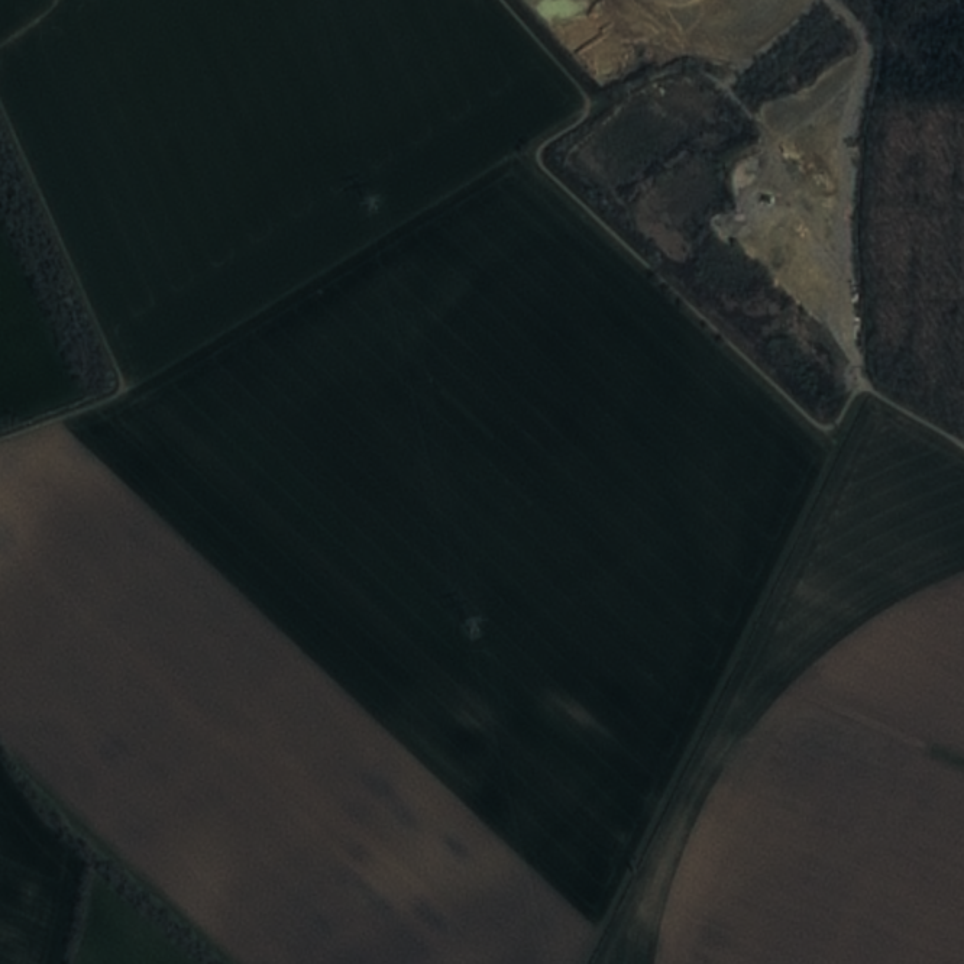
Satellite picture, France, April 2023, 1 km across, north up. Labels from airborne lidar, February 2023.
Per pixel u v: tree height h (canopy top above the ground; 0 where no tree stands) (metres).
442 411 0
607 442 0
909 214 20
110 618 0
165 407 0
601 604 0
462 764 0
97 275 0
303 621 0
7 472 0
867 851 0
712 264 9
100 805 0
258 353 0
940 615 0
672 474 0
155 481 0
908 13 20
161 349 0
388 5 0
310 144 0
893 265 19
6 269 0
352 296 0
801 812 0
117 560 0
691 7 0
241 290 0
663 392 0
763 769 0
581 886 0
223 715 0
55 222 0
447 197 0
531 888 0
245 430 0
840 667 0
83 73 0
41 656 0
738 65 0
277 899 0
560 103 0
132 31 0
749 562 0
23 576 0
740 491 0
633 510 0
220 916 0
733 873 0
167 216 0
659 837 0
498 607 0
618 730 0
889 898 0
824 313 0
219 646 0
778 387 0
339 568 0
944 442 0
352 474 0
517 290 0
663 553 0
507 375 0
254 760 0
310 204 0
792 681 0
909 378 14
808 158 0
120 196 0
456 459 0
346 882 0
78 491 0
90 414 0
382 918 0
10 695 0
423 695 0
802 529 0
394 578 0
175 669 0
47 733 0
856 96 0
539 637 0
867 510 0
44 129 0
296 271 0
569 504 0
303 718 0
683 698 0
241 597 0
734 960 0
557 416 0
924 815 0
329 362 0
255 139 0
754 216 0
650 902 0
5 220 8
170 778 0
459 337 0
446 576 0
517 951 0
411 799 0
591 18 0
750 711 0
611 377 0
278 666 0
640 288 0
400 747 0
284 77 0
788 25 0
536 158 0
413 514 0
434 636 0
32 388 0
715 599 0
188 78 0
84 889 15
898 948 0
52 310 16
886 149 18
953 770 0
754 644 0
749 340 0
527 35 0
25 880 0
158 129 0
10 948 0
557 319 0
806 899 0
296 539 0
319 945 0
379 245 0
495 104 0
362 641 0
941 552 0
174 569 0
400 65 0
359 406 0
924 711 0
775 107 0
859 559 0
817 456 0
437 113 0
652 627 0
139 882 0
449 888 0
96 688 0
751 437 0
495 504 0
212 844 0
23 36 0
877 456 0
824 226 0
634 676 0
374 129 0
